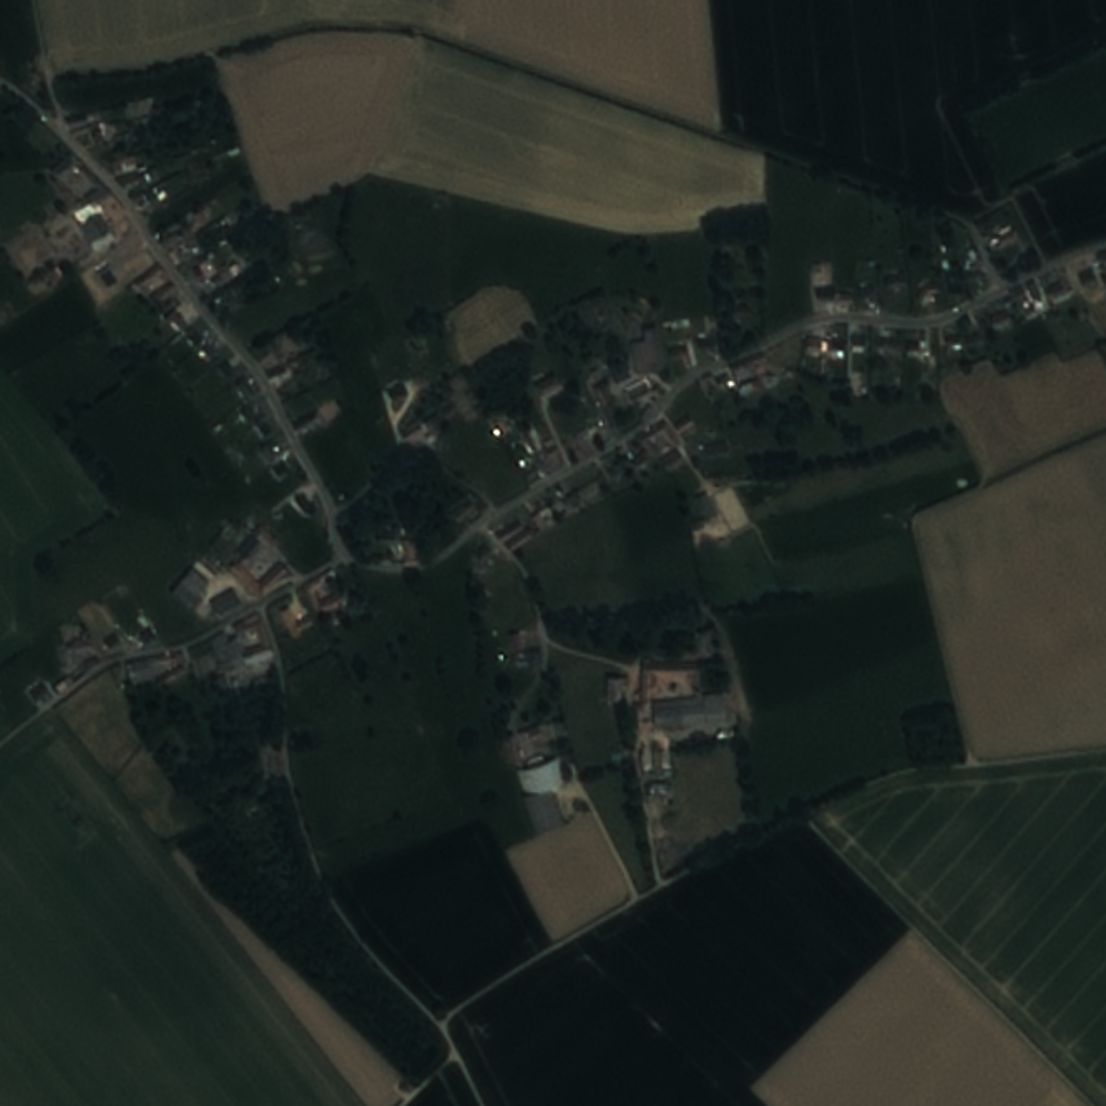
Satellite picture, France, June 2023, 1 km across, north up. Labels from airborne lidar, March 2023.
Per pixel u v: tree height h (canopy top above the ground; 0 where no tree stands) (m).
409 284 0
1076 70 0
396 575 0
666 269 0
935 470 0
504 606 0
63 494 0
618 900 0
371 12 0
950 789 0
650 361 0
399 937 0
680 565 0
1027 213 0
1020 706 0
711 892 0
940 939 0
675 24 0
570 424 0
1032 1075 0
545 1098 0
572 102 0
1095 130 0
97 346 0
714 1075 0
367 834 0
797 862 0
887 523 0
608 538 0
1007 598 0
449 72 0
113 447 0
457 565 0
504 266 0
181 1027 0
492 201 0
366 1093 0
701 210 0
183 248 0
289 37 0
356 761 0
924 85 0
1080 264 0
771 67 0
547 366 0
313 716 0
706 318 0
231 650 0
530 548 0
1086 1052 0
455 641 0
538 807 0
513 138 0
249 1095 0
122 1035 0
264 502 0
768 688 0
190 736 22
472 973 0
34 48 0
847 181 7
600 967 0
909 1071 0
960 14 0
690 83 0
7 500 0
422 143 0
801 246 0
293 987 0
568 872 0
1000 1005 0
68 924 0
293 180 0
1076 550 0
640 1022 0
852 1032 0
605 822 0
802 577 0
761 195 0
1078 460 0
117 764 0
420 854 0
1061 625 0
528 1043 0
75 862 0
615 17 0
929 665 0
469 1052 0
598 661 0
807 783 0
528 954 0
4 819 0
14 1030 0
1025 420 0
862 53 0
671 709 0
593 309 0
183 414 0
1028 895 0
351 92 0
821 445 0
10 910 0
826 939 0
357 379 0
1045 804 0
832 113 0
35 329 0
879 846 0
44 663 0
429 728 0
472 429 0
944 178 0
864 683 0
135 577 0
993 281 0
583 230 0
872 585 0
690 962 0
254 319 0
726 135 0
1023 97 0
